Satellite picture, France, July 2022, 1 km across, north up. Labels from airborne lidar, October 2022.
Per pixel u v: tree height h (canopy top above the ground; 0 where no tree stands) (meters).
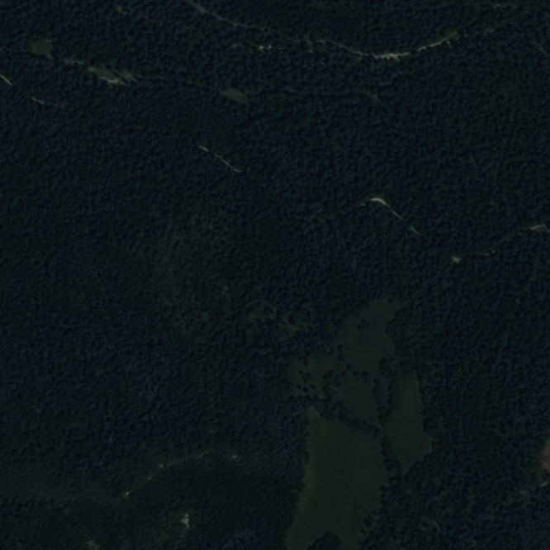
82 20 36
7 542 25
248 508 26
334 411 18
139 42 28
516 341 14
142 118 26
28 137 23
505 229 15
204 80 17
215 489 17
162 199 22
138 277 11
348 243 14
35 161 17
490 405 10
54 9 27
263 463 15
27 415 15
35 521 20
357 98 28
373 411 0
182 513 21
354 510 0
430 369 37
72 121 17
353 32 21
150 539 19
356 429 21
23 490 8
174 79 14
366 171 13
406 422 0
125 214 28
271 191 19
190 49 40
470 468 16
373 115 29
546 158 20
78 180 26
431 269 28
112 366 19
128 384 15
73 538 13
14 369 17
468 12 17
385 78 38
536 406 36
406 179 31
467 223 11
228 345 22
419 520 27
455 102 17
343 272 16
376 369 0
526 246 15
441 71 23
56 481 9
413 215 21
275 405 27
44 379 21
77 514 19
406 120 7
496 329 21
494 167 14
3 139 18
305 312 29
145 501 15
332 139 36
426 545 11
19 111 26
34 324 13
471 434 18
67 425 14
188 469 18
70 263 19
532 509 35
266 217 21
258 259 23
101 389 15
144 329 21
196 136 23
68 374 17
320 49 26
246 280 21
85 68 17
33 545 20
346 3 6
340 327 14
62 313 16
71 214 10
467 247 29
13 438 16
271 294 23
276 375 23
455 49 11
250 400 22
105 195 16
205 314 27
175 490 20
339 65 23
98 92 23
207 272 15
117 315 22
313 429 0
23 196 19
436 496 23
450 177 8
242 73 23
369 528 19
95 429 14
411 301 9
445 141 16
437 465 13
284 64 38
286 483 14
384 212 16
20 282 15
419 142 15
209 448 10
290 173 30
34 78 26
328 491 0
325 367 0
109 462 19
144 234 17
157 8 41
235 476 20
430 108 20
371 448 0
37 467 12
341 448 0
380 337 0
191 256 18
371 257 21
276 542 31
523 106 6
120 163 27
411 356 12
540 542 25
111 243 24
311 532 0
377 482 0
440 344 25
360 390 0
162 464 23
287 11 23
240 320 24
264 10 28
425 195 15
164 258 11
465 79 9
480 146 17
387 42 22
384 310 0
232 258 18
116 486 13
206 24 17
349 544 0
